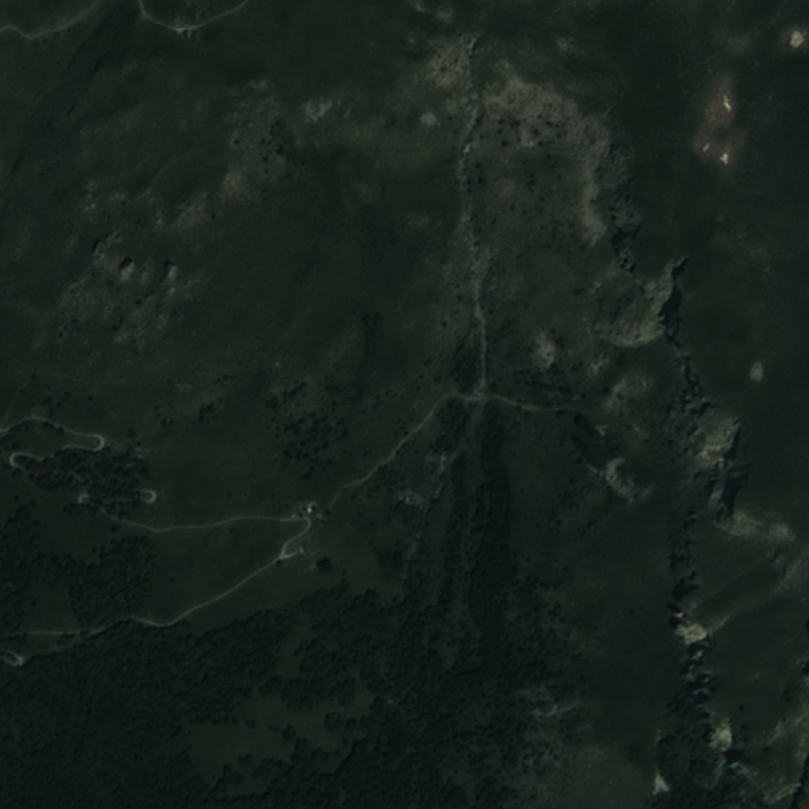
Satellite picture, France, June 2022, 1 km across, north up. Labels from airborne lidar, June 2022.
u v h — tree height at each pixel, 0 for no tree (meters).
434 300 0
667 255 0
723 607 0
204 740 0
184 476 0
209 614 0
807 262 0
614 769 0
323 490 0
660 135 0
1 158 0
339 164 0
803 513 0
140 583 17
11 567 13
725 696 0
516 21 0
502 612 14
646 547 0
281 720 0
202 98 0
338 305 0
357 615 18
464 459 7
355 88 0
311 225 0
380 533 0
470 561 9
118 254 0
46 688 12
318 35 0
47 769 15
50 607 0
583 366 12
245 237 0
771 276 0
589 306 0
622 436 0
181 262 0
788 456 0
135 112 0
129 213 0
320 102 0
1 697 9
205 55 0
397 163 0
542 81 0
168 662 21
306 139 0
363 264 0
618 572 0
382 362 0
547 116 0
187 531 0
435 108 0
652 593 0
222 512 0
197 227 0
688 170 0
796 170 0
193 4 0
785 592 0
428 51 0
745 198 0
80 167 0
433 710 14
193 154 0
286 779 17
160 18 0
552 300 0
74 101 0
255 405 0
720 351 0
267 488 0
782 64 0
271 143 8
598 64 0
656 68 0
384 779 11
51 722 14
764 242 0
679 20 0
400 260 0
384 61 0
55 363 0
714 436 0
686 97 0
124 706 20
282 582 0
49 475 9
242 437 0
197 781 16
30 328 0
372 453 7
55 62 0
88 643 16
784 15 0
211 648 15
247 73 0
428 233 0
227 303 0
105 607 17
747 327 0
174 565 0
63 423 0
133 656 21
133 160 0
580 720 10
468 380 6
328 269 0
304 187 0
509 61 0
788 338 0
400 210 0
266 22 0
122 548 15
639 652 0
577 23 0
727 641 0
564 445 6
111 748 18
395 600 10
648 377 0
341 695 16
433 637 6
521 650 9
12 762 18
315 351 0
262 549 0
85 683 21
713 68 0
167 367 0
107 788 18
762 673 0
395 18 0
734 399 0
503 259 0
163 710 20
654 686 0
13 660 11
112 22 0
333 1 0
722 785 12
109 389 0
